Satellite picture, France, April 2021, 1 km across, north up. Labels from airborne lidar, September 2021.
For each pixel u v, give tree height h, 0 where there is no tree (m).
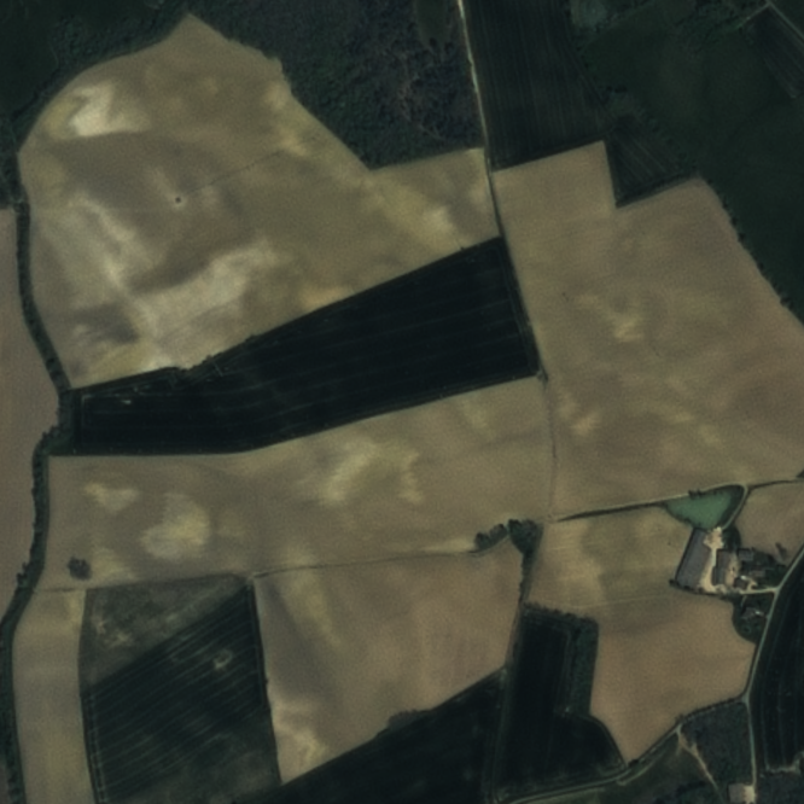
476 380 0
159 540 0
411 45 12
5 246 0
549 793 0
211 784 0
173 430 0
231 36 17
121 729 0
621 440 0
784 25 0
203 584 0
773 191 0
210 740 0
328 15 17
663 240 0
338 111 11
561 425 0
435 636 0
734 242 0
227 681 0
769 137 0
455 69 7
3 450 0
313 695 0
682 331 0
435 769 0
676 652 0
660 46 0
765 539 0
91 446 0
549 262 0
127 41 10
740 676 0
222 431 0
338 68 20
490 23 0
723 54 0
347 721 0
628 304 0
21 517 0
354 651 0
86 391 0
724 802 0
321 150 0
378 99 13
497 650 0
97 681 0
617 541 0
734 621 0
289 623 0
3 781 0
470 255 0
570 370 0
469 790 0
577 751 0
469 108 14
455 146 16
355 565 0
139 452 0
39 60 0
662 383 0
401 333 0
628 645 0
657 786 0
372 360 0
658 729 0
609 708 0
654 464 0
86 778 0
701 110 0
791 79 0
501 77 0
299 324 0
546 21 0
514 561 0
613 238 0
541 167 0
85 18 0
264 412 0
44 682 0
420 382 0
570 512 0
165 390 0
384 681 0
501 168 0
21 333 0
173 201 0
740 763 12
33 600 0
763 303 0
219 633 0
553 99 0
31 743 0
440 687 0
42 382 0
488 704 0
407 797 0
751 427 0
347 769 0
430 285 0
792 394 0
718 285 0
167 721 0
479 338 0
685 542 0
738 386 0
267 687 0
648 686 0
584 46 6
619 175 0
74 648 0
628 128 0
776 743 0
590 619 9
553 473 0
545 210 0
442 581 0
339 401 0
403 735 0
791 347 0
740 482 0
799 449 0
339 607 0
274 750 0
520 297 0
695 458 0
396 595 0
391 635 0
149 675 0
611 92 10
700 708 0
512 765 0
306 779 0
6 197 15
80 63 9
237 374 0
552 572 0
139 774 0
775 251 0
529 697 0
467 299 0
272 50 18
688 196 0
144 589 0
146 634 0
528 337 0
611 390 0
